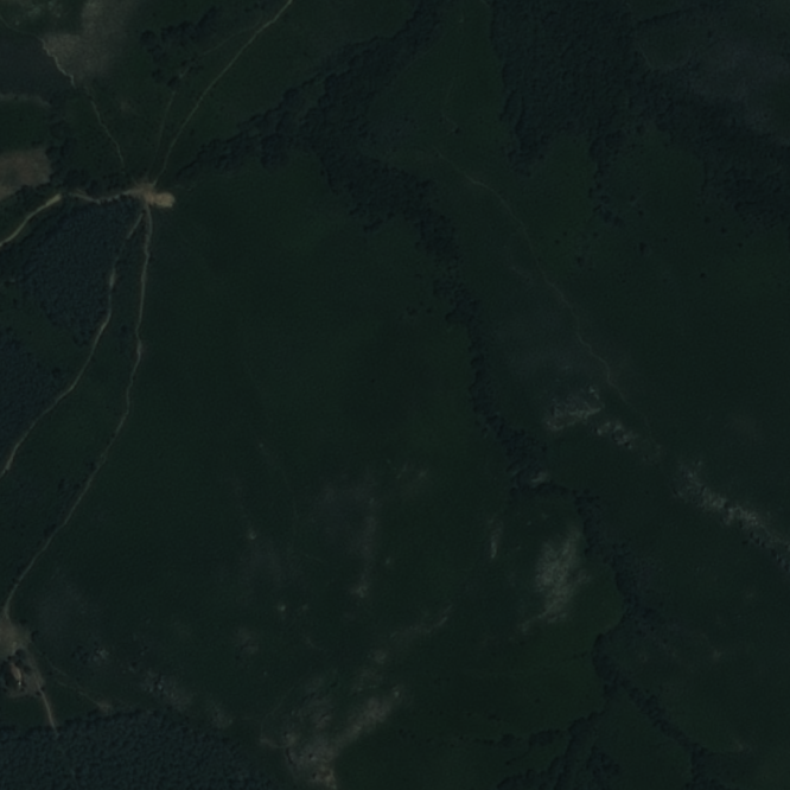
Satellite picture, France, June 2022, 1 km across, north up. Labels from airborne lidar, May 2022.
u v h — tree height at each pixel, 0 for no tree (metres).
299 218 0
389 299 0
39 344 0
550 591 0
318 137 19
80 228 23
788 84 0
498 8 13
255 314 0
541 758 0
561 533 0
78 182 15
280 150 23
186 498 0
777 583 0
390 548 0
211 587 0
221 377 0
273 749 0
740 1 6
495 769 0
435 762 0
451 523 0
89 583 0
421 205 13
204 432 0
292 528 0
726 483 0
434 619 0
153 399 0
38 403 19
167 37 16
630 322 0
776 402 0
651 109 21
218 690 0
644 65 9
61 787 24
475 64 0
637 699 11
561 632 0
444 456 0
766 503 0
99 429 0
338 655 0
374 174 16
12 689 9
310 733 0
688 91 9
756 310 0
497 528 0
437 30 8
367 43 7
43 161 0
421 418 0
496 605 0
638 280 0
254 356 0
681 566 0
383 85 10
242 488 0
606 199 9
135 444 0
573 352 0
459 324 7
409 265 0
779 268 0
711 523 0
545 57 12
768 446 0
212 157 13
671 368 0
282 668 0
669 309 0
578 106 14
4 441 17
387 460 0
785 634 0
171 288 0
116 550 0
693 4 6
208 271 0
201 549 0
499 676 0
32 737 17
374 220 11
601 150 16
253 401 0
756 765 0
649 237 0
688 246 0
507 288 0
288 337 0
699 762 13
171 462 0
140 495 0
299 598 0
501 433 14
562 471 0
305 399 0
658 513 0
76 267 21
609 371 0
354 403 0
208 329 0
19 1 0
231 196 0
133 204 18
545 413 0
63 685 0
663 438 0
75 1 0
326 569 0
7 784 14
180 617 0
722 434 0
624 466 0
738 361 0
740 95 6
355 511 0
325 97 11
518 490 13
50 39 0
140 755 21
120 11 0
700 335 0
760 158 5
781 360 0
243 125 9
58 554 0
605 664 13
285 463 0
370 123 9
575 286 0
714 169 9
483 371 13
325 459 0
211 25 21
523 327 0
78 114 0
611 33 13
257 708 0
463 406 0
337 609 0
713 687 0
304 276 0
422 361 0
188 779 19
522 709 0
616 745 0
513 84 16
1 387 20
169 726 14
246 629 0
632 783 0
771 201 14
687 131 20
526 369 0
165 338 0
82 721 12
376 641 0
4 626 0
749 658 0
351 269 0
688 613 0
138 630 0
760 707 0
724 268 0
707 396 0
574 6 16
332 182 15
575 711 0
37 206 9
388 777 0
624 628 9
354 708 0
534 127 17
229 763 18
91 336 10
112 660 0
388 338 0
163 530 0
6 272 13
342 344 0
